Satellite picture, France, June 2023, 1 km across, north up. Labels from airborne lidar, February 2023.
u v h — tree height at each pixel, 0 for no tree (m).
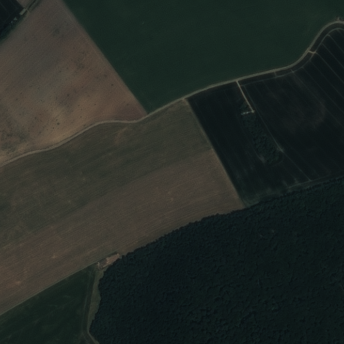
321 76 0
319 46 0
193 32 0
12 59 0
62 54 0
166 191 0
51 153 0
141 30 0
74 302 0
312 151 0
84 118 0
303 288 30
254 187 0
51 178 0
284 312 29
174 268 24
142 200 0
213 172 0
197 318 24
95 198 0
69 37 0
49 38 0
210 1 0
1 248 0
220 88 0
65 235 0
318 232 25
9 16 0
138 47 0
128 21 0
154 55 0
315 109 0
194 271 26
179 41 0
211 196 0
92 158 0
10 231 0
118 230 0
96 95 0
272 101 0
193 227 20
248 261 25
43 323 0
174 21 0
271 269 28
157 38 0
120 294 20
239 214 21
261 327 27
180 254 23
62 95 0
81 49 0
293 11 0
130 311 24
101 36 0
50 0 0
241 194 0
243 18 0
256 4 0
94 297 0
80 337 0
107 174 0
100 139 0
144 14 0
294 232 22
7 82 0
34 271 0
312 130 0
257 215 26
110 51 0
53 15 0
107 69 0
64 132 0
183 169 0
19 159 0
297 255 20
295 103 0
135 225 0
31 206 0
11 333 0
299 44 0
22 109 0
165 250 21
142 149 0
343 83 0
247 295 26
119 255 0
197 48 0
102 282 15
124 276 22
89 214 0
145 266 22
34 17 0
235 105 0
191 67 0
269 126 0
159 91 0
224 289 26
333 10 0
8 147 0
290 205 19
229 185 0
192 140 0
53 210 0
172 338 24
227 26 0
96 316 10
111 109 0
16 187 0
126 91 0
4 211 0
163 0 0
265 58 0
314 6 0
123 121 0
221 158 0
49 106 0
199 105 0
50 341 0
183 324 23
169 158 0
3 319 0
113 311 19
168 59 0
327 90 0
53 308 0
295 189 0
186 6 0
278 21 0
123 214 0
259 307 27
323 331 29
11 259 0
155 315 25
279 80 0
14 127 0
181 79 0
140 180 0
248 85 0
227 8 0
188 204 0
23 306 0
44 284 0
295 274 28
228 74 0
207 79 0
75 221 0
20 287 0
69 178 0
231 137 0
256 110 0
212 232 24
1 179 0
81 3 0
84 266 0
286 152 0
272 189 0
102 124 0
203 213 0
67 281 0
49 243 0
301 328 27
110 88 0
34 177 0
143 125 0
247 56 0
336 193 20
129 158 0
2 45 0
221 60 0
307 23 0
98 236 0
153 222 0
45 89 0
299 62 0
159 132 0
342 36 0
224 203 0
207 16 0
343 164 0
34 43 0
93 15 0
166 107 0
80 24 0
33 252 0
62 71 0
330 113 0
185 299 24
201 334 23
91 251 0
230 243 25
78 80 0
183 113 0
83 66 0
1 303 0
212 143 0
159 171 0
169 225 0
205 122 0
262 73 0
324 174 0
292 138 0
